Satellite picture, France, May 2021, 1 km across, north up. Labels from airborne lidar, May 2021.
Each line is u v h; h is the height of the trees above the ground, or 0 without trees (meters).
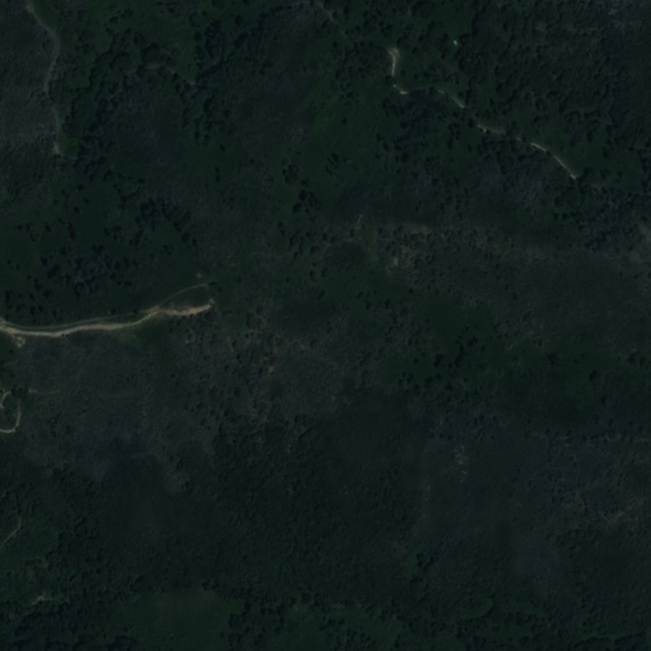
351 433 9
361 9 0
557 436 11
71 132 19
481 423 14
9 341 0
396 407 6
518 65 14
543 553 6
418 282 11
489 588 13
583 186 16
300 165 19
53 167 11
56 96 17
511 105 19
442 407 8
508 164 23
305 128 17
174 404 6
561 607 7
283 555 16
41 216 20
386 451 7
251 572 18
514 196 13
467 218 15
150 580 23
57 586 10
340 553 10
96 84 21
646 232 13
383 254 6
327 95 11
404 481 6
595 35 13
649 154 16
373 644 11
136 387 7
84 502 20
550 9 17
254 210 6
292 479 14
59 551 16
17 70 16
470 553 8
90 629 22
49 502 8
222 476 15
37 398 7
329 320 8
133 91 20
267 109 7
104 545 17
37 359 8
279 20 15
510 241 14
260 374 12
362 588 21
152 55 22
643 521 9
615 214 22
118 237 17
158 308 0
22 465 8
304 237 12
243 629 11
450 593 8
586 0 11
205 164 0
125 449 6
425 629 15
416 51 17
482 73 26
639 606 7
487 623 24
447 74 20
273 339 9
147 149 6
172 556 18
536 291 6
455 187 20
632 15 7
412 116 8
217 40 28
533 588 8
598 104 23
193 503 8
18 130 7
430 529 7
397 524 16
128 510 7
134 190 22
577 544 13
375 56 16
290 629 15
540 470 6
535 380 6
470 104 18
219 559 18
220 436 10
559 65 16
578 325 7
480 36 21
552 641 30
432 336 17
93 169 21
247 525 16
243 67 22
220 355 7
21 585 8
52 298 11
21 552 8
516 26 19
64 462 7
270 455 10
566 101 22
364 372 7
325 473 6
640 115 12
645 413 10
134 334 0
